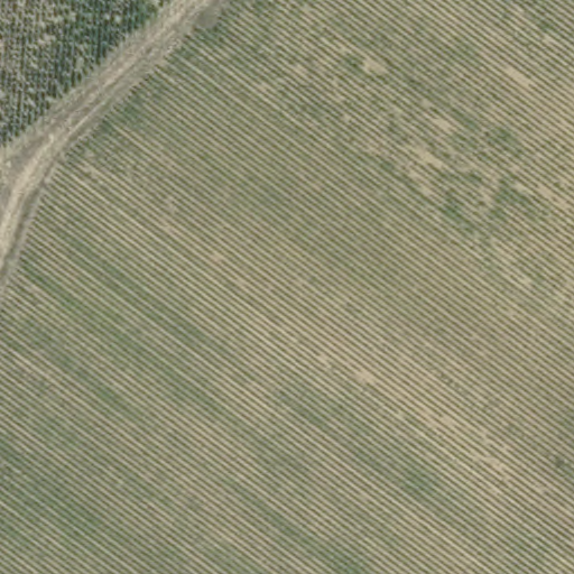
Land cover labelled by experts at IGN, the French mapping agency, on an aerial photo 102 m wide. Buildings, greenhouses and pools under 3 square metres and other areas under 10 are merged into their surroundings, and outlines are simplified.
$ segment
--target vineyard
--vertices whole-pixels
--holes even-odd
[[[574,574],[574,0],[0,0],[0,146],[9,144],[16,150],[16,155],[11,157],[11,168],[16,168],[18,173],[22,173],[25,164],[49,139],[52,132],[65,146],[49,157],[38,184],[31,188],[27,197],[20,200],[20,217],[0,267],[0,574]]]

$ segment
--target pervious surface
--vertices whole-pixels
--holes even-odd
[[[9,144],[0,146],[0,267],[20,217],[20,200],[27,197],[31,188],[38,184],[49,157],[65,146],[52,132],[49,139],[25,164],[22,173],[18,173],[16,168],[11,168],[11,157],[16,155],[16,150]]]

